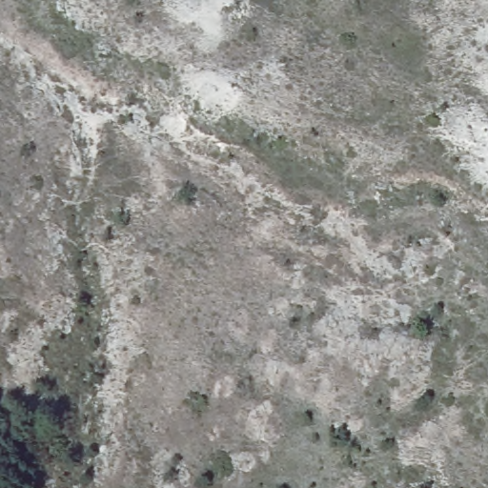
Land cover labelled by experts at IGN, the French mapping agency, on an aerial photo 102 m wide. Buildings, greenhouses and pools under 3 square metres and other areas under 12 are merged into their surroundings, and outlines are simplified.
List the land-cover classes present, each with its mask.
<instances>
[{"label":"bare soil","instance_id":"1","mask_svg":"<svg viewBox=\"0 0 488 488\"><path fill-rule=\"evenodd\" d=\"M55 10L74 21L76 30L99 36L95 44V59L99 67L105 69L107 59H101V53H109V50L116 46L120 53H130L139 61L152 59L170 63V78H158V84L162 86L164 93L156 91L149 82H143V91L139 97L135 93H130L132 82L137 76L135 71H124L116 67V71H112V76H116V82L111 84L97 82L91 74H86L78 67H69L63 61L59 53L53 50L50 42H46L42 36L34 32H21V13L13 0H0V278L19 274L25 284H34L36 295H25L23 301L34 313L44 316L42 326L29 324L19 334L17 341L8 347L6 353L13 370L2 376V387H21L27 395H32V381L36 377L46 376L48 366L42 360L40 349L42 345H46L51 330H61L65 334L71 332L76 307L74 299L57 294L46 284L48 276L55 273L59 261L72 259L71 254H67L61 244V240L67 238L65 208L74 206L76 210H82V204L90 200L91 185L99 166L97 152L101 149L114 151L118 158L130 162L132 173L141 185L139 193L132 194L126 202V210L132 213L135 231L122 238H114L111 242L91 240L88 246V250L95 252L101 269V288L111 301L109 307L101 311V345L93 351V356H107V360L111 362L109 374L105 376L101 385H97V396H101L105 404L103 416L99 419V431L101 435L111 437V444L99 448L97 456L84 459L91 465L86 475L93 478L88 488H488V433H482L478 442L473 440L461 425V410L454 406H446L431 421L421 423L416 435L410 433V429H400L396 438L381 440L379 433H389L391 425L383 423L374 427L370 423L372 417L379 414V406L387 396L391 398V410L395 412H402L406 406L414 404L423 393L429 398H435V391L427 389L425 385V379L429 377L433 368L431 355L435 349V343L429 339H412L406 337V332L393 334V326L398 322H408L410 316H419L421 313L429 315L435 307L442 311L444 307L450 309L454 305H459L463 307V311H467V315H475V309H471V303L467 301V295L477 294L488 299V0H410V19L417 27L427 29L429 38V42L423 46V51L427 69L431 72V82H419L416 88L404 76V71H398L391 63L393 53H374L370 46L360 48L358 44L355 48H345L341 36L335 34L332 29L324 30V34L320 36L326 48L316 46L315 50H309L305 36H301L297 30L290 27H274V13L265 6L252 4L250 0H55ZM223 116L242 118L250 128L267 133L271 141L284 135L288 139H294L295 145H301V137L311 130V133L316 135L318 143H330L334 151L347 152V147L351 145L355 149V158L349 160L343 173L358 181L377 175V183H372L360 194H355V191L349 189L347 202H343L341 206L330 204L326 210V219L322 223H313V208L309 204L292 202L278 187L276 172L257 162L254 152L236 143H223L219 141V137L202 133L187 122L189 118H198L213 124ZM417 181H427L448 191V200L442 206L423 204L395 208L389 212V217L408 221L417 231L437 234V246L431 244L429 238H421L414 240L410 248L406 244V238L395 233L387 234L377 244L364 233L366 219L349 215L355 210L358 202H377L381 198V191H393L395 187L406 189L410 183ZM183 183H193L196 187L194 204L191 206L183 204L177 196L183 189ZM191 391L210 396L208 412L202 414V417L194 416L191 408L183 404V398H187ZM341 425H347L356 440L362 444V448L353 454L356 461L355 469L337 467L341 463V452L330 446V427ZM219 450H225L233 461V473L223 480H217L213 477L212 471H208L213 465L210 454ZM347 0H318L316 15H320L322 19L337 15L345 8ZM465 349L459 345L456 351V370L444 387L446 396H477L478 412H484V406L488 402V379L484 383H471L465 379L467 368L477 366L482 360L477 353L469 360H465Z\"/></svg>","mask_w":488,"mask_h":488},{"label":"brushwood","instance_id":"2","mask_svg":"<svg viewBox=\"0 0 488 488\"><path fill-rule=\"evenodd\" d=\"M21 13V32H34L42 36L46 42H50L53 50L59 53L63 61L95 59V44L99 36L76 30L74 21L55 10V0H13ZM187 122L202 133L219 137V141L223 143H236L254 152L257 162L276 172L278 187L292 202L309 204L313 208V223H322L326 219V210L330 204L341 206L343 202H347L349 189L355 191V194H360L372 183H377V175L358 181L343 173L349 160L355 158V149L351 145L347 147V152L334 151L330 143H318L316 135L311 133V130L301 137V145H295L294 139H288L284 135L271 141L267 133L250 128L242 118L223 116L213 124L198 118H189ZM99 166L91 185L90 200L82 204V210H76L74 206L65 208L67 238L61 240V244L67 254H71L72 259L59 261L55 273L48 276L46 284L57 294L74 299L76 307L71 332L65 334L61 330H51L46 345H42L40 349L42 360L48 366L46 376L57 381V387L65 396H69L71 406H78L82 446H91L93 442H97L99 448L111 444V437L101 435L99 431V419L103 416L105 404L101 396H97V385H101L105 376L109 374L111 362L107 360V356H93V351L101 345V311L109 307L111 301L101 288V269L95 252L88 250V246L91 240L111 242L114 238H122L135 231L132 213L126 210V202L132 194L139 193L141 185L132 173L130 162L118 158L114 151L101 149L97 152ZM196 187L193 183H183V189L177 196L183 204L191 206L194 204ZM467 301L471 303V309H475V315H467V311H463V307L459 305H454L450 309L452 313H459V318H448L444 326L433 324V334L429 335V339L435 343V349L431 355L433 368L429 377L425 379V385L427 389L435 391V398H429L423 393L414 404L406 406L402 412H395L391 410V398L387 396L379 406V414L372 417L370 423L374 427L383 423L391 425L389 433H379L381 440L396 438L400 429H410V433L416 435L421 423L431 421L446 406V396L444 387L456 370V351L459 345L465 349V360H469L477 353L482 360L477 366L467 368L465 379L471 383H484L488 379V299L477 294L467 295ZM210 396L191 391L187 398H183V404L191 408L194 416L202 417V414L208 412ZM213 465L208 471H212L213 477L217 480H223L233 473V461L225 450H219L210 454ZM91 465L84 459L80 463H74L71 459L69 463L46 465V488H88L93 478L86 475Z\"/></svg>","mask_w":488,"mask_h":488},{"label":"herbaceous vegetation","instance_id":"3","mask_svg":"<svg viewBox=\"0 0 488 488\"><path fill-rule=\"evenodd\" d=\"M252 4L265 6L274 13V27H290L297 30L301 36H305L309 50H315L316 46L326 48L320 36L324 34V30L332 29L335 34L341 36L345 48H355L358 44L360 48L370 46L374 53H393L391 63L398 71H404V76L416 88L419 82H431V72L427 69L423 51V46L429 42V38L427 29L417 27L410 19V0H347L345 8L337 15L322 19L320 15H316L318 0H250ZM101 59H107L105 69L99 67L95 59L63 61L69 67H78L86 74H91L97 82L111 84L116 82V76H112V71H116V67L124 71H135L137 76L132 82L130 93H135L139 97L143 91V82H149L156 91L164 93L162 86L158 84V78H170V63L152 59L139 61L130 53H120L116 46L109 50V53H101ZM448 200V191L427 181H417L410 183L406 189L395 187L393 191H381V198L377 202H358L355 210L349 215L366 219L364 233L377 244L387 234L395 233L406 238V244L410 248L414 240L421 238H429L431 244L437 246V234L417 231L408 221L389 217V212L395 208L423 204L442 206ZM25 295H36L34 284H25L19 274L0 278V387H2V376L13 370L6 353L8 347L17 341L19 334L29 324L42 326L44 316L34 313L23 301ZM448 318H459V313H452L450 309L444 307L442 311L435 307L429 315L421 313L419 316H410L408 322H398L393 326V334L406 332V337L412 339H429V335L433 334V324L444 326ZM446 406H454L461 410V425L473 440L478 442L482 433H488V402L484 406V412H478L477 396H446ZM330 446L341 452V463L337 467L355 469L356 461L353 454L362 448V444L356 440L347 425H341L330 427Z\"/></svg>","mask_w":488,"mask_h":488},{"label":"coniferous trees","instance_id":"4","mask_svg":"<svg viewBox=\"0 0 488 488\"><path fill-rule=\"evenodd\" d=\"M32 395H27L21 387H0V488H46V465L69 463L71 459L74 463H80L84 459L97 456L99 448L97 442H93L91 446H82L78 406H71L69 396H65L57 387V381L46 376L36 377L32 381Z\"/></svg>","mask_w":488,"mask_h":488}]
</instances>
